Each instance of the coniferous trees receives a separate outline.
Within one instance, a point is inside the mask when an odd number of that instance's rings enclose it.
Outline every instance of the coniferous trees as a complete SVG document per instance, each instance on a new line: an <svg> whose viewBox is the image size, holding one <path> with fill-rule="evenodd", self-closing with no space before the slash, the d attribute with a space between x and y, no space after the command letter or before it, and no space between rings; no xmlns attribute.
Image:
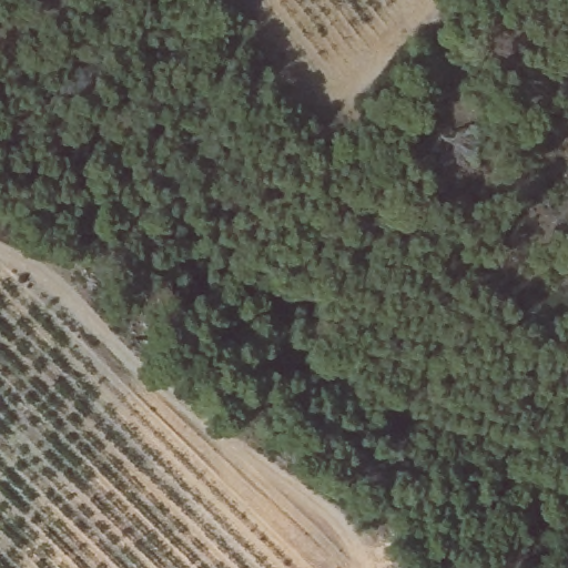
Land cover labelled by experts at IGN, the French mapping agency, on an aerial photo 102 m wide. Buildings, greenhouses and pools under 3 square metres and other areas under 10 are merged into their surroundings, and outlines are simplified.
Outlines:
<svg viewBox="0 0 568 568"><path fill-rule="evenodd" d="M195 415L209 422L211 437L237 437L246 442L253 450L266 455L280 468L295 475L308 490L317 493L328 504L337 506L357 533L375 530L382 526L395 528L397 539L386 550L391 568L568 568L568 0L435 0L439 11L437 22L422 24L413 38L408 38L397 49L397 53L388 60L384 71L366 91L357 93L357 98L346 98L342 102L342 111L333 120L333 146L324 146L324 140L315 140L315 144L311 146L300 146L295 142L295 131L286 122L288 109L280 109L273 98L273 71L264 69L262 80L251 80L249 67L235 67L235 53L226 49L229 16L222 9L222 0L0 0L0 242L18 249L24 257L55 266L64 280L75 284L78 293L91 304L91 308L142 359L140 379L146 384L146 388L173 388L178 399L186 402Z"/></svg>

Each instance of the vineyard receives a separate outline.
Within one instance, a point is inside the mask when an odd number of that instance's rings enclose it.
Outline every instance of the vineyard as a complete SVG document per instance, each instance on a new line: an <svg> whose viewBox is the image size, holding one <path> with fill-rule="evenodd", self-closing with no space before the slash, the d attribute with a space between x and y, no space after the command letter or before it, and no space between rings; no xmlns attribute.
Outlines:
<svg viewBox="0 0 568 568"><path fill-rule="evenodd" d="M280 468L266 455L253 450L246 442L237 437L211 437L209 422L195 415L186 402L178 399L173 388L146 388L146 384L140 379L142 359L91 308L91 304L78 293L75 284L64 280L55 266L24 257L18 249L0 242L0 568L391 568L386 550L397 539L395 528L382 526L375 530L357 533L337 506L328 504L317 493L308 490L295 475Z"/></svg>
<svg viewBox="0 0 568 568"><path fill-rule="evenodd" d="M384 71L388 60L397 53L397 49L408 38L413 38L422 24L437 22L439 11L435 0L222 0L222 9L229 16L226 49L235 53L235 67L249 67L251 80L262 80L264 69L273 71L273 98L280 109L288 109L286 122L295 131L295 142L300 146L311 146L315 144L315 140L324 140L324 146L333 146L333 120L342 111L342 102L346 98L357 98L357 93L366 91Z"/></svg>

